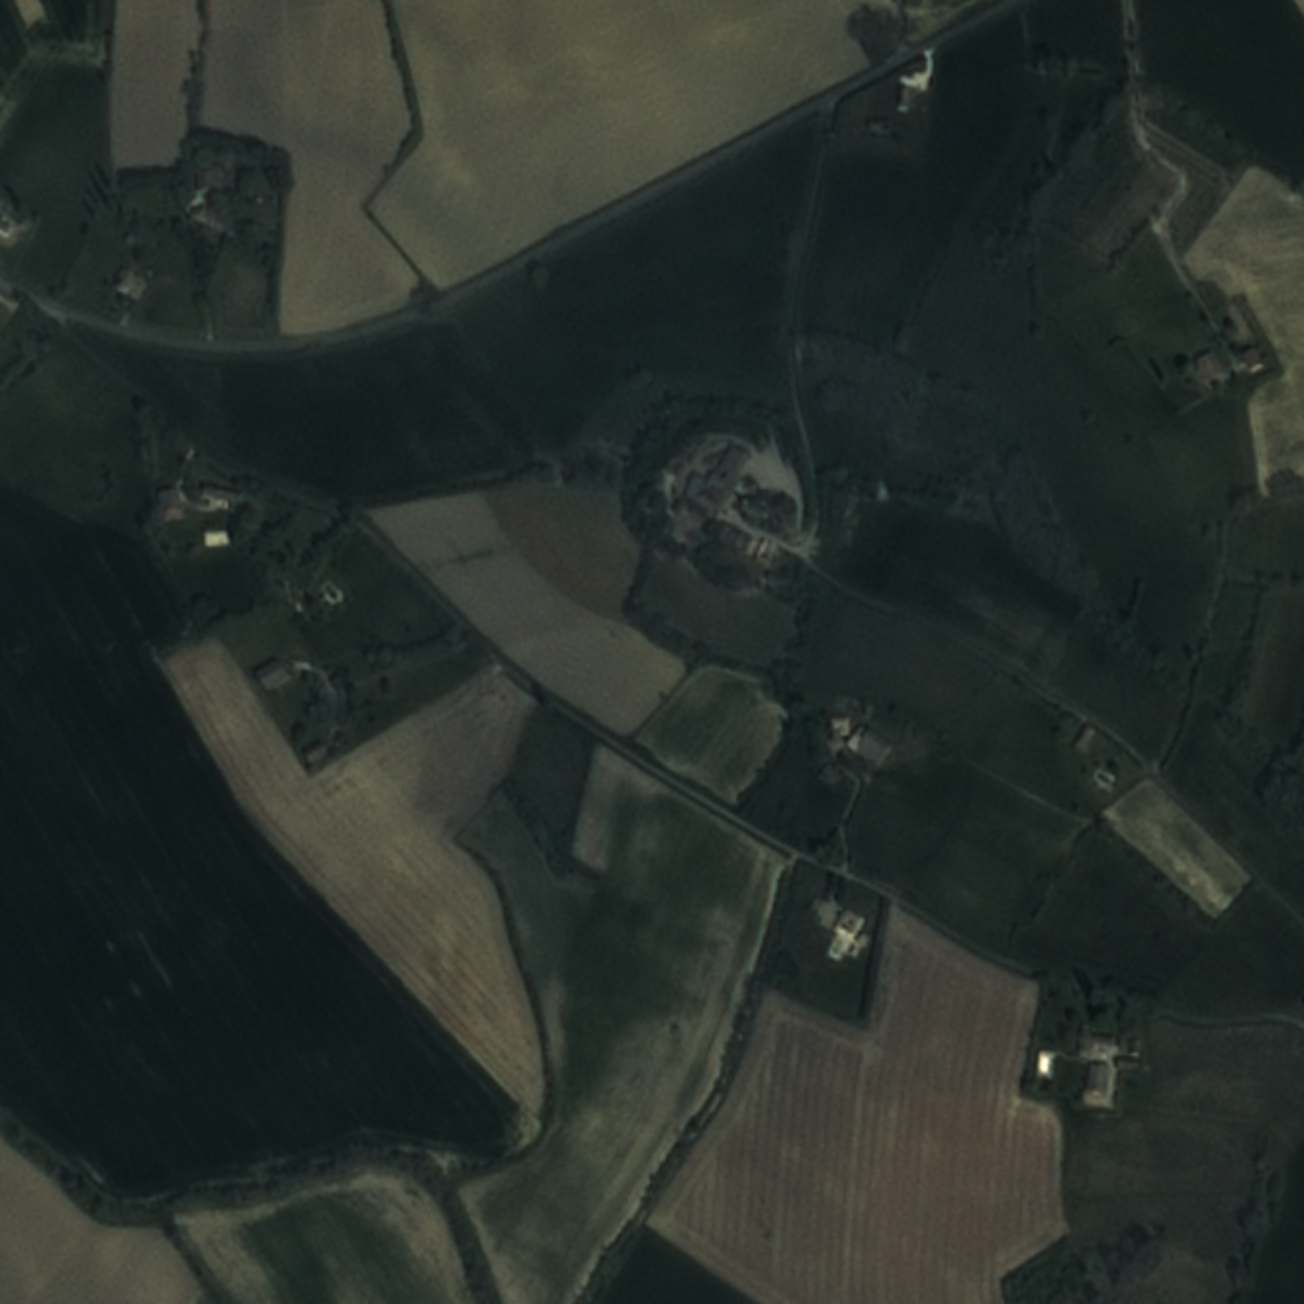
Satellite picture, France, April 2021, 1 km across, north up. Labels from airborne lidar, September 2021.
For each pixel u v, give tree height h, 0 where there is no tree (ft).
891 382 75
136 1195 0
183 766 0
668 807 0
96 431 0
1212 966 0
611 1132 0
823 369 46
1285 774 52
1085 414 0
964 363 0
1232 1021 0
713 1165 0
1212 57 0
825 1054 0
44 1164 44
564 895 0
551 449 0
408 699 0
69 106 0
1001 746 0
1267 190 0
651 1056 0
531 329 0
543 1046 25
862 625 0
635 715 0
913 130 0
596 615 0
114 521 0
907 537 0
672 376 0
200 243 24
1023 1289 31
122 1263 0
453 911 0
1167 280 0
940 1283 0
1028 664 0
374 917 0
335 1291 0
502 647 0
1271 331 0
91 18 0
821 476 20
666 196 0
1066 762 0
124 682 0
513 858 0
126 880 0
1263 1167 22
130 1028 0
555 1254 0
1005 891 0
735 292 0
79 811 0
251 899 0
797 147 0
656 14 0
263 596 30
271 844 0
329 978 0
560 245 0
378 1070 0
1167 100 33
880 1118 0
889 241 0
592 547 0
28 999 0
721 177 0
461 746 0
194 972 0
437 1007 0
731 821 0
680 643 39
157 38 0
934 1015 0
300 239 0
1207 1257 0
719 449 0
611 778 0
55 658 0
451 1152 0
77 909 0
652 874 0
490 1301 37
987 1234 0
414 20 0
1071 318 0
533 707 0
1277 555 0
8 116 0
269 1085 0
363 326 0
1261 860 0
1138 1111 0
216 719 0
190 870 0
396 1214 0
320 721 49
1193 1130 0
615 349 0
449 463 0
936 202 0
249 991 0
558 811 0
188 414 0
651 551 34
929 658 0
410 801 0
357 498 0
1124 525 0
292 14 0
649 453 30
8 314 35
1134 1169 0
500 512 0
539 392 0
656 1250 0
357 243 0
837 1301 0
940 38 0
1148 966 0
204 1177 0
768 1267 0
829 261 0
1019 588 0
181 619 0
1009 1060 0
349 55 0
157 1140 0
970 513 22
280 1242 0
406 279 0
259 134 0
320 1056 0
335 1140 0
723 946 0
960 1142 0
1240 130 0
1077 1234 0
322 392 0
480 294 22
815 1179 0
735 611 0
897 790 0
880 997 0
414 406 0
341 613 19
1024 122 0
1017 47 0
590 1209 0
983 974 0
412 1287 0
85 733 0
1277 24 0
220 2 0
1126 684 0
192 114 23
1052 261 0
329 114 0
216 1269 0
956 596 0
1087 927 0
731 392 0
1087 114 0
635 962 0
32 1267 0
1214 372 0
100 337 0
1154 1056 0
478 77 0
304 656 0
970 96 0
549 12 0
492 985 0
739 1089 0
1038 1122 0
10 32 0
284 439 0
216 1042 0
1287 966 0
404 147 19
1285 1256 0
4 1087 0
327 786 0
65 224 0
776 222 0
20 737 0
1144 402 0
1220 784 0
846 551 0
